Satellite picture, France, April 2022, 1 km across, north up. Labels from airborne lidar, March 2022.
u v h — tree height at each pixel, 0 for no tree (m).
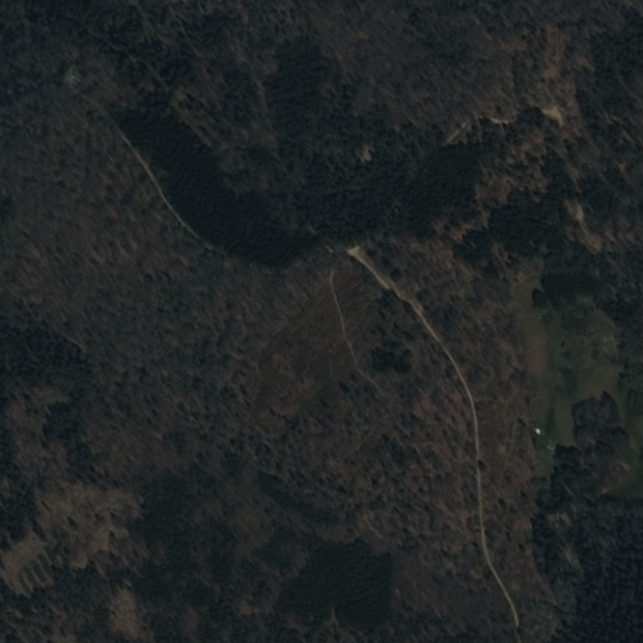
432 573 20
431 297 27
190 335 21
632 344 25
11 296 19
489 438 9
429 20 22
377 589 13
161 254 25
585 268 21
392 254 28
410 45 21
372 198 21
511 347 32
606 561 24
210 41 23
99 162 28
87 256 24
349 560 11
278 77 14
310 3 20
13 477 20
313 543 21
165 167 24
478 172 21
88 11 17
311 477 8
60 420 31
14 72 21
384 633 18
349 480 5
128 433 24
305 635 14
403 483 19
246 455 19
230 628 25
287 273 21
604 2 27
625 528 14
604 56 28
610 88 26
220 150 14
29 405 18
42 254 21
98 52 24
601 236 26
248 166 17
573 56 30
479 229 31
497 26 26
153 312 23
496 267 27
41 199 18
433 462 32
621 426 34
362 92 23
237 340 23
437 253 31
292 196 28
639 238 34
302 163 19
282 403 6
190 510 16
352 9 15
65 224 22
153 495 14
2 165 24
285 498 20
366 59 23
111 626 17
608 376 0
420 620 16
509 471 7
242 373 11
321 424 17
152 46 24
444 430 29
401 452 23
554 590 25
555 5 26
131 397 17
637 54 28
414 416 16
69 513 0
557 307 20
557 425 0
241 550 16
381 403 22
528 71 19
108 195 21
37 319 19
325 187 25
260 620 18
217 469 18
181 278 22
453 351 7
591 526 32
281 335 6
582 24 8
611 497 0
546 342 0
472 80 23
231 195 18
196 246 8
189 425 20
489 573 7
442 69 31
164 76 10
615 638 21
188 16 18
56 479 13
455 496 26
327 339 23
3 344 21
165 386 20
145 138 18
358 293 5
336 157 20
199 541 15
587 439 31
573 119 6
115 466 19
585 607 42
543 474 0
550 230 23
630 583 11
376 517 22
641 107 32
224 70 17
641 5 28
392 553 16
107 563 17
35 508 29
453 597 19
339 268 20
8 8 31
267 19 12
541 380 0
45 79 19
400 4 20
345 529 16
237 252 20
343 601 16
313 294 20
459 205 23
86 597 24
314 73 18
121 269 23
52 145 25
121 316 23
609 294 19
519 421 0
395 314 32
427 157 23
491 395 6
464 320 34
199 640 23
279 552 18
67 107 24
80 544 16
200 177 20
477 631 18
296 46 15
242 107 26
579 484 29
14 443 24
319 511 17
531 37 7
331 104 18
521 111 24
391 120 22
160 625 24
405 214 27
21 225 21
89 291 22
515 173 30
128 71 29
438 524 25
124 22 21
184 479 13
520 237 22
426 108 13
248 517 17
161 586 17
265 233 15
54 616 27
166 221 22
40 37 18
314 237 12
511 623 13
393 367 20
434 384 31
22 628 27
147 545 16
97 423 24
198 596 16
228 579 20
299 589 15
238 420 24
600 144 30
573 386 0
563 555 27
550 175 23
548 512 36
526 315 0
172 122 15
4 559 17
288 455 21
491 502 8
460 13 22
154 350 21
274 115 17
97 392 24
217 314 28
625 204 24
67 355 26
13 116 21
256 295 23
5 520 23
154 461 19
